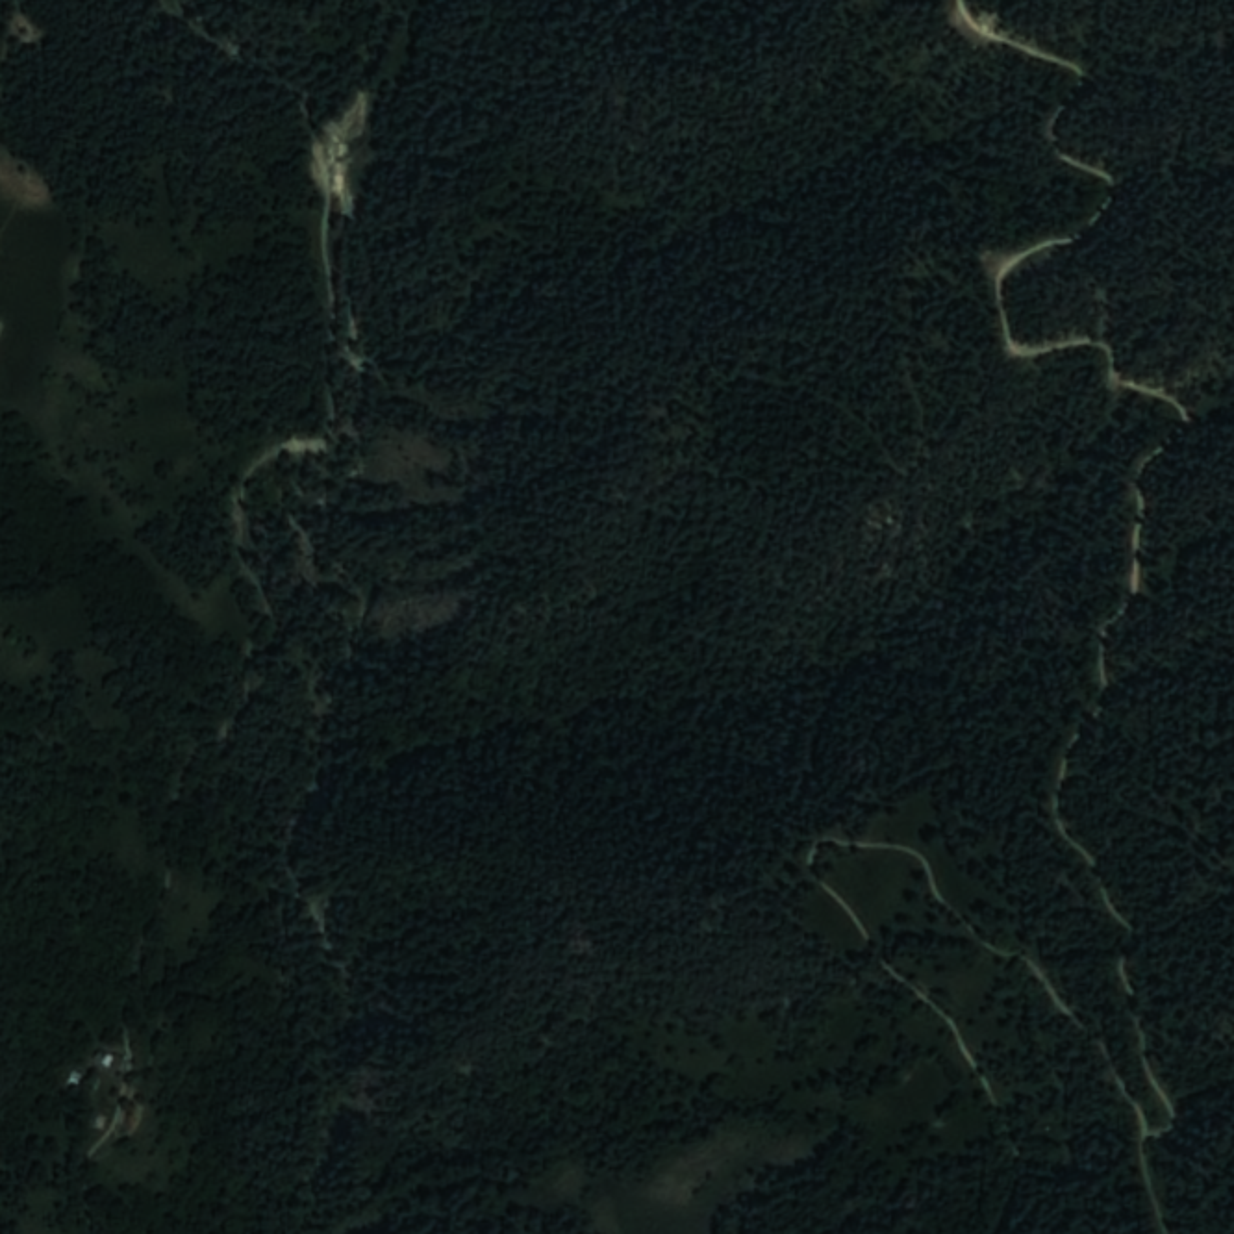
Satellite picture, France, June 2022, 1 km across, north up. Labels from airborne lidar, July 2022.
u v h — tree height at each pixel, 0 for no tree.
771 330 25
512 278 22
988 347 20
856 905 0
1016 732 26
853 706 28
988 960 0
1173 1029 6
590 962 23
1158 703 22
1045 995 9
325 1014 22
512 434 20
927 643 23
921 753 10
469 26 21
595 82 13
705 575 19
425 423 13
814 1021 19
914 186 12
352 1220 15
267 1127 33
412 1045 23
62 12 22
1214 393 32
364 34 16
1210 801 26
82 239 7
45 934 12
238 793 25
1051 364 15
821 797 23
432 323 23
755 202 21
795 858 11
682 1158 0
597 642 30
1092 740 27
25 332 0
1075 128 20
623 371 19
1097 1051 16
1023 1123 16
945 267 13
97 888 14
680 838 25
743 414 26
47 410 0
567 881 20
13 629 9
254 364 25
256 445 8
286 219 12
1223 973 20
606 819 27
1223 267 17
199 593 6
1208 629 18
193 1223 13
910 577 21
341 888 14
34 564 18
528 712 18
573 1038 17
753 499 18
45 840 18
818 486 25
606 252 14
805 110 7
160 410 0
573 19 32
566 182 25
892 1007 16
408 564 12
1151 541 8
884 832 0
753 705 11
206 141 23
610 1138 21
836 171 14
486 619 17
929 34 12
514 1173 23
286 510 9
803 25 21
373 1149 22
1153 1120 8
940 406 9
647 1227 0
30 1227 0
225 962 15
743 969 14
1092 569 11
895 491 13
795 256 29
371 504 20
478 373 21
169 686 16
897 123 22
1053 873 21
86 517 19
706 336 30
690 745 14
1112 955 13
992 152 20
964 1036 0
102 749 22
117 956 11
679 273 34
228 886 18
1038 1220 22
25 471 13
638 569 21
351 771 22
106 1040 13
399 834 24
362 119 0
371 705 28
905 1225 30
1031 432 24
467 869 12
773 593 19
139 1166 0
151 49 26
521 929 20
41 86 20
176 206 19
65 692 17
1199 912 13
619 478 14
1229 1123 29
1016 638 21
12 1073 22
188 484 9
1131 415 22
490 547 16
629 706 28
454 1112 21
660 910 15
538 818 24
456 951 23
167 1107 14
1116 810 19
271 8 27
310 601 34
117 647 17
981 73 13
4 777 22
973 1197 19
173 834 20
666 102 17
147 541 14
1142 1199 23
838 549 14
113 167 16
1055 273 9
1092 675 9
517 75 27
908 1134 12
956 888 0
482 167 14
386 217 24
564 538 13
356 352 18
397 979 19
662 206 24
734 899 15
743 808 17
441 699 17
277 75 9
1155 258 18
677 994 21
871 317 24
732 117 10
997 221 10
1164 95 20
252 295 18
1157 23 15
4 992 20
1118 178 27
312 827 36
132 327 23
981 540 13
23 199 0
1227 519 25
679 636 14
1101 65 29
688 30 13
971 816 24
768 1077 0
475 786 14
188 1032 13
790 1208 18
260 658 25
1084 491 19
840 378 13
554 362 26
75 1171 14
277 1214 24
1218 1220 11
